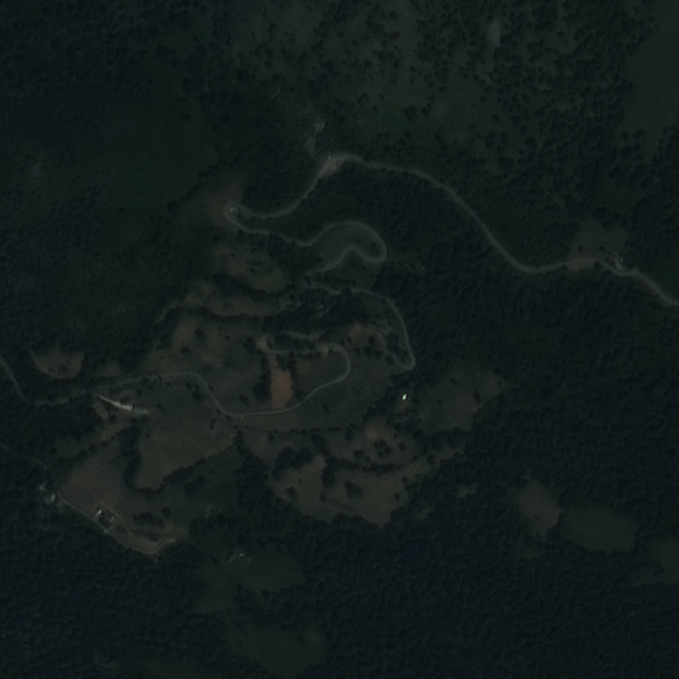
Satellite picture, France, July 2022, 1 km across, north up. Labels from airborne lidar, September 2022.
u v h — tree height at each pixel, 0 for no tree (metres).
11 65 14
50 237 13
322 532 23
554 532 9
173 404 0
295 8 0
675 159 16
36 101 13
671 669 25
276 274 0
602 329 26
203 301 0
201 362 0
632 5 0
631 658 24
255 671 12
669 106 0
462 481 18
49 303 16
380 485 0
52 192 8
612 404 23
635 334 13
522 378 13
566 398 12
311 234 13
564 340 20
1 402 25
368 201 9
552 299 29
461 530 12
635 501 23
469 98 0
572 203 17
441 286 11
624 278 8
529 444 15
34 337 15
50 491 13
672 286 0
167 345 24
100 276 7
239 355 0
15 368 15
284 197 7
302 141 7
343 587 16
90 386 22
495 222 9
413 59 0
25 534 27
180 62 13
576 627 28
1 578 11
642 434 29
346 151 10
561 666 26
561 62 12
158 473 0
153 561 11
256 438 0
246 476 16
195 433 0
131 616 25
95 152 6
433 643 15
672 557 0
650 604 28
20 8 9
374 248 6
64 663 26
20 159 7
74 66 11
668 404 9
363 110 0
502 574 24
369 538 23
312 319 16
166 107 0
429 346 20
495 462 23
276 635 0
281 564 0
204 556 6
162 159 0
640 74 0
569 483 20
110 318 7
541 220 11
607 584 24
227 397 0
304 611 12
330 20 13
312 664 0
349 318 23
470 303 11
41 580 11
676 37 0
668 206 24
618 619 29
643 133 12
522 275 9
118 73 12
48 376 9
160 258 8
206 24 0
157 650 21
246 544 25
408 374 7
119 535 0
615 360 18
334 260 0
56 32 14
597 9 11
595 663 25
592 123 19
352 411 0
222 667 19
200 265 6
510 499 6
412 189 14
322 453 11
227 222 0
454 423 0
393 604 23
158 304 11
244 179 0
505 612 25
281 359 9
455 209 11
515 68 10
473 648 12
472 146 12
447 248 21
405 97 0
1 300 12
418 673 29
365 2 8
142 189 0
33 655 24
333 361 0
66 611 31
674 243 10
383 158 11
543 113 15
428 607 11
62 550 24
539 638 26
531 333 12
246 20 9
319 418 0
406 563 36
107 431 0
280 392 0
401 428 18
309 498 0
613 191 0
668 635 29
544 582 24
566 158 14
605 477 6
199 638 22
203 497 0
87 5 14
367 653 19
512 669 9
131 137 0
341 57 0
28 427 11
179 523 0
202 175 19
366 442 0
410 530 19
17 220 7
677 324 13
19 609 29
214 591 0
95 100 11
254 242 17
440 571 32
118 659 7
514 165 11
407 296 16
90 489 0
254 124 9
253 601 8
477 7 11
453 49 13
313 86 18
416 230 17
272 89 11
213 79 21
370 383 0
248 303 0
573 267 0
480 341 8
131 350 14
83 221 12
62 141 9
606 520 0
